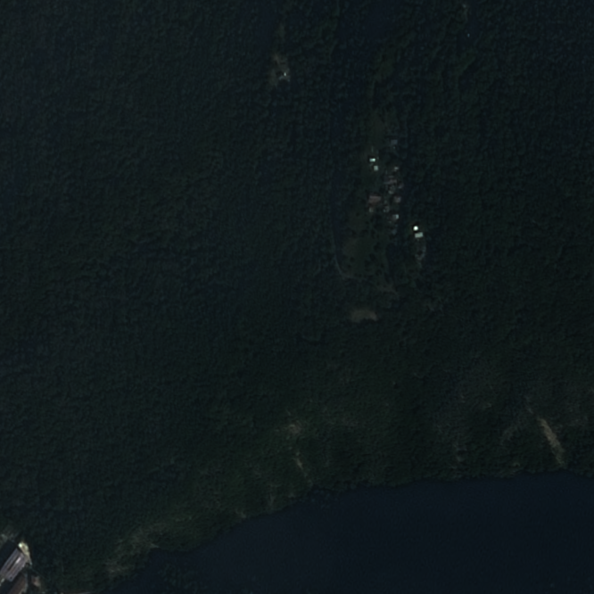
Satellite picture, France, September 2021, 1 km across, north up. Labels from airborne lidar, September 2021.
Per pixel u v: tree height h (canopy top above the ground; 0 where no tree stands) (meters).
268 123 25
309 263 20
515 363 25
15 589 0
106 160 18
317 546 22
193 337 18
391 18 26
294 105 27
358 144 18
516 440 23
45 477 27
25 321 24
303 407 8
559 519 23
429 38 26
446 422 13
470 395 17
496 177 26
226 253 16
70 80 24
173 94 20
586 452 23
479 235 19
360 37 24
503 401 17
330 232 14
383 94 8
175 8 19
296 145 21
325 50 21
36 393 24
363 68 25
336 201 16
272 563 26
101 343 17
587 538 29
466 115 23
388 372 22
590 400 19
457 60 19
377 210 7
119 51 17
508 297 20
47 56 23
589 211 21
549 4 22
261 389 17
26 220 20
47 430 22
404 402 24
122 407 20
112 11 24
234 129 24
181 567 22
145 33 24
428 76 28
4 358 33
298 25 19
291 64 24
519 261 27
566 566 25
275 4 25
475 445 31
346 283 10
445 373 14
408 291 22
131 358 18
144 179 26
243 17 18
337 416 15
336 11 22
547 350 19
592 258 21
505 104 29
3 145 22
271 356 18
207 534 21
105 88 26
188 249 20
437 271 22
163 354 21
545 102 26
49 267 18
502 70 23
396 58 18
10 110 24
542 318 19
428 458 18
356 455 21
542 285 25
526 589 17
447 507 23
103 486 29
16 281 18
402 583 21
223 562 13
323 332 20
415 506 25
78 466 18
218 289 21
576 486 15
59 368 24
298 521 20
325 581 12
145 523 11
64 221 23
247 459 14
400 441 20
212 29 17
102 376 21
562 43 24
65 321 15
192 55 22
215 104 18
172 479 19
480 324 26
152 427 16
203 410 23
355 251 0
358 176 14
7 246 18
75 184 22
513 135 24
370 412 13
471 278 17
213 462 13
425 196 21
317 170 27
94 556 16
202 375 14
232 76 23
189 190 24
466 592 21
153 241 22
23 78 22
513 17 25
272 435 11
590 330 21
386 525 23
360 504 25
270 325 23
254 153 19
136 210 22
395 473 22
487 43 25
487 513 17
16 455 20
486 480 14
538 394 11
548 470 36
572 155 22
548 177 19
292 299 19
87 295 21
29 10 24
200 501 12
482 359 10
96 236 22
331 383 11
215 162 16
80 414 20
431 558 22
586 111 21
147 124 17
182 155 22
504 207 29
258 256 17
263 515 17
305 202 20
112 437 20
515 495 29
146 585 20
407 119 20
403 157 18
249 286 14
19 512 22
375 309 18
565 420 10
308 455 16
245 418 21
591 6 19
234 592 15
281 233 17
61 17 22
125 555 8
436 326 23
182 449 17
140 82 24
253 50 22
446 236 20
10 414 19
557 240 25
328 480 24
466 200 20
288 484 13
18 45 19
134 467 21
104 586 8
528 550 28
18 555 0
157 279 19
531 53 26
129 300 16
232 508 25
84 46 23
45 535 22
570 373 19
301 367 15
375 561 18
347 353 16
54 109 21
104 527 20
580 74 20
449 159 20
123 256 24
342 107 23
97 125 24
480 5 23
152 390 18
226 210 23
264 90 23
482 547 31
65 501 19
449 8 24
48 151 20
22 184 24
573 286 23
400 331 24
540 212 20
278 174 25
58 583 12
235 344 16
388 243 0
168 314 20
